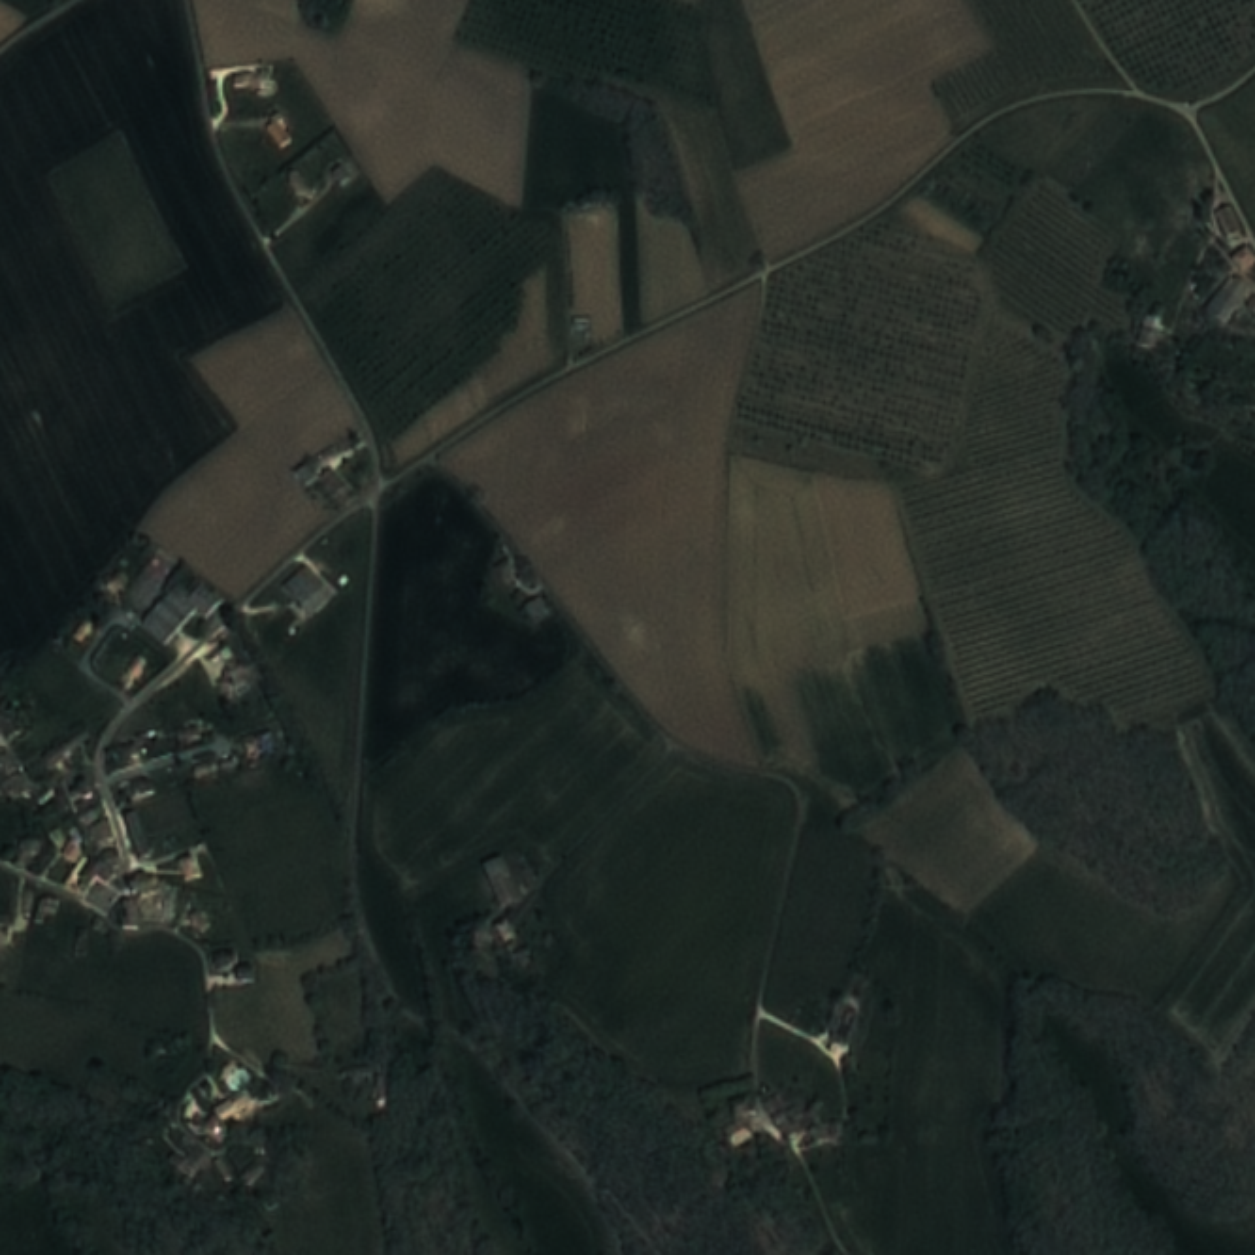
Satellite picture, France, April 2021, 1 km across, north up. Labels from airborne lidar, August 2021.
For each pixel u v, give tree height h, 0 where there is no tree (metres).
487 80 0
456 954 13
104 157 0
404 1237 12
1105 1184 17
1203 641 13
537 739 0
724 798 0
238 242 0
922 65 0
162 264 0
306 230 0
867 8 0
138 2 0
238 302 0
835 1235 0
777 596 0
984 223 6
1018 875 0
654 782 0
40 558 0
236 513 0
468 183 0
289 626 0
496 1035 24
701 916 0
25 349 0
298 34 0
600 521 0
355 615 0
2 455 0
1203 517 15
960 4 0
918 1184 0
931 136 0
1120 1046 21
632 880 0
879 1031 0
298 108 0
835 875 0
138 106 0
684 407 0
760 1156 8
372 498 0
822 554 0
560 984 0
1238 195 0
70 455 0
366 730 0
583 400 0
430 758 0
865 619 0
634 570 0
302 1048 0
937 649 14
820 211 0
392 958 0
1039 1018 20
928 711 0
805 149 0
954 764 0
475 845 0
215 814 0
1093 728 13
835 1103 0
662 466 0
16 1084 17
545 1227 0
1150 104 0
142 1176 17
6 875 0
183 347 0
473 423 0
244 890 0
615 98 14
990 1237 0
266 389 0
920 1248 0
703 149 0
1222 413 21
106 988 0
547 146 0
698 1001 0
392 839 0
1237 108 0
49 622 0
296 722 15
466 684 0
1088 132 0
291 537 0
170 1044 6
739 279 0
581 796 0
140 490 0
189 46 0
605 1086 18
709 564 0
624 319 0
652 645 0
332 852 0
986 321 0
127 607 0
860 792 0
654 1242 16
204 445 0
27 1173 23
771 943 0
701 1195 20
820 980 0
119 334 0
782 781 0
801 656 0
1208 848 10
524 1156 0
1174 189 0
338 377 0
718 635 0
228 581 0
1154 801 13
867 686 0
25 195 0
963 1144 0
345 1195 0
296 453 0
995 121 0
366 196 0
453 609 0
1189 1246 0
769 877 0
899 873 0
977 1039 0
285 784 0
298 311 0
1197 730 0
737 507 0
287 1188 17
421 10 0
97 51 0
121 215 0
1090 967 0
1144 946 0
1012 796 13
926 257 0
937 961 0
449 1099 20
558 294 0
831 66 0
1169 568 19
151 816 0
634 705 0
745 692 0
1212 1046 0
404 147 0
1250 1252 0
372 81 0
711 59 0
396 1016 16
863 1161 0
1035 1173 14
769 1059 0
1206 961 0
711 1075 0
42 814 8
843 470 0
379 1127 11
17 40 0
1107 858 9
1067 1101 22
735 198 0
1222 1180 20
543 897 0
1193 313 0
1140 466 12
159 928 0
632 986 0
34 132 0
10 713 7
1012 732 13
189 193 0
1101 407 22
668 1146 19
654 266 0
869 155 0
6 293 0
